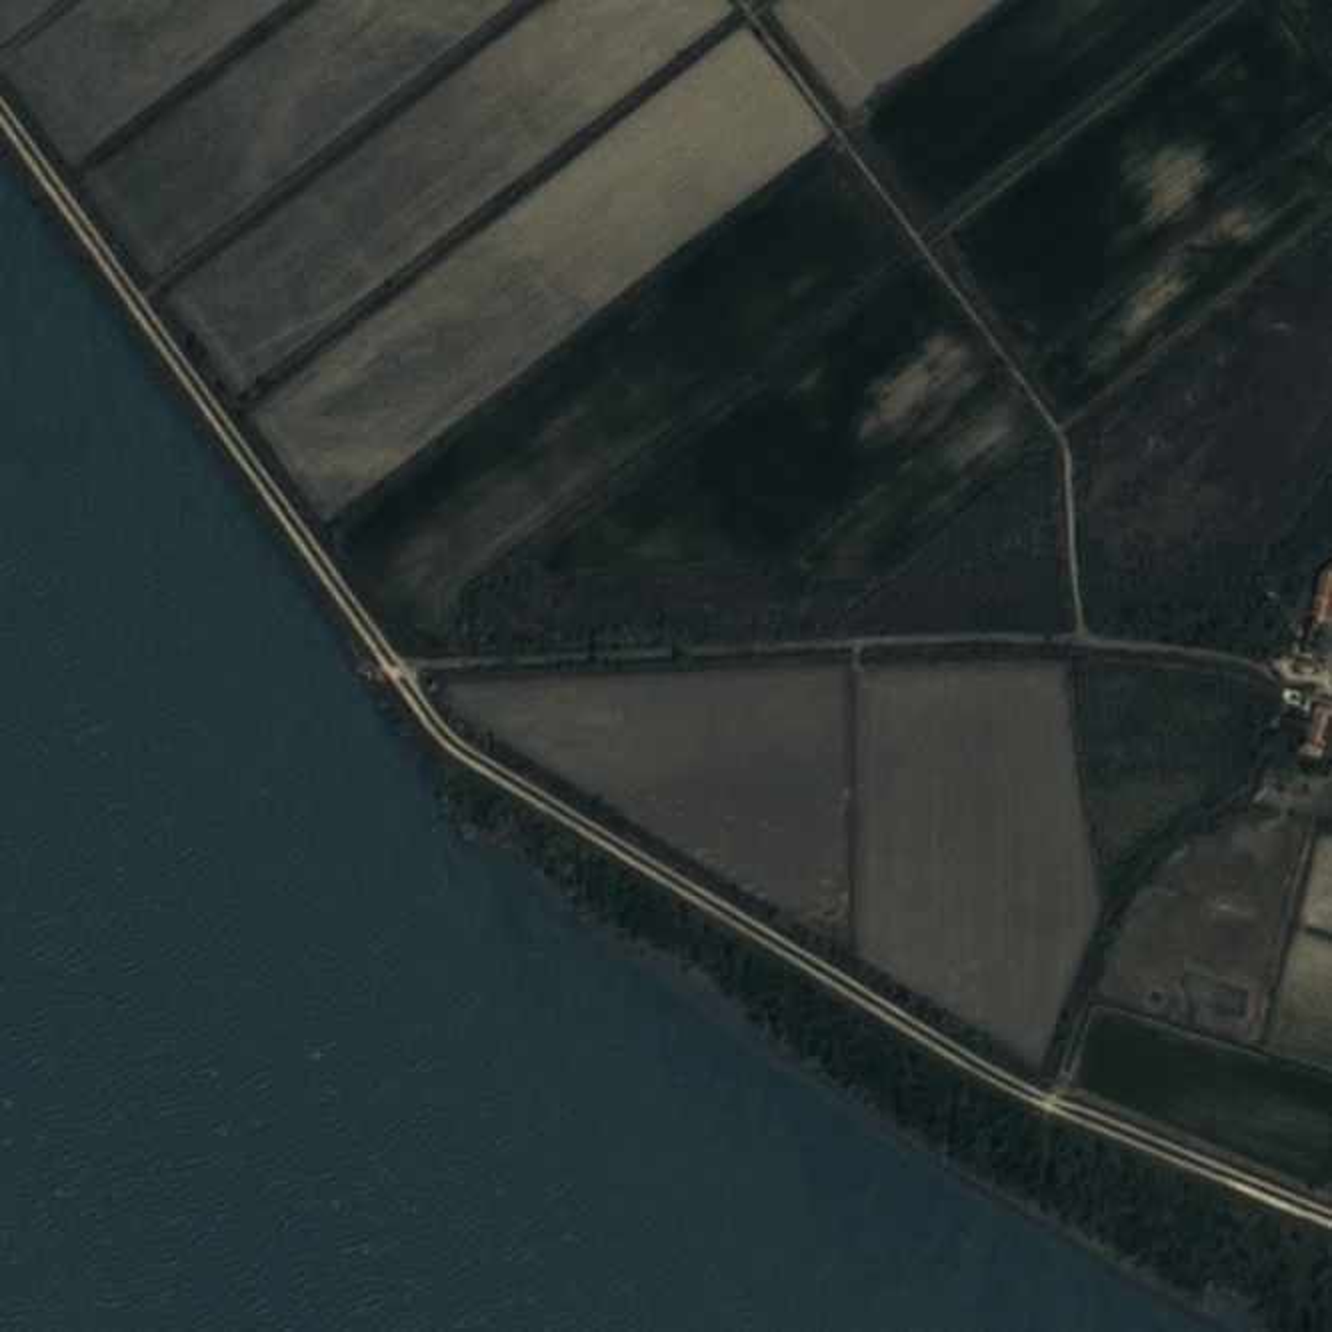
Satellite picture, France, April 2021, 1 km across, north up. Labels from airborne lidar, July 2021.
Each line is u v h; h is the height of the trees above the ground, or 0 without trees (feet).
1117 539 0
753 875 0
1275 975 0
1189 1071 0
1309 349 0
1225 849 0
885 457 0
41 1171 0
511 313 0
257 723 0
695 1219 0
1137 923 0
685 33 0
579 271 0
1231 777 21
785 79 0
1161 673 22
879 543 0
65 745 0
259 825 0
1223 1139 0
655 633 24
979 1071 0
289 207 0
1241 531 0
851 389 0
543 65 0
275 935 0
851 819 0
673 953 36
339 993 0
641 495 0
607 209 0
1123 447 0
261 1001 0
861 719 0
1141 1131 0
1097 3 0
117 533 0
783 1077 0
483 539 0
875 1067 36
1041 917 0
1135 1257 28
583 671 25
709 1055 0
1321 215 0
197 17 0
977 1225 0
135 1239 0
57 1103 0
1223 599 29
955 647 20
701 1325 0
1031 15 0
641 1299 0
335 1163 0
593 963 0
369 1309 0
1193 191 0
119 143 0
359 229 0
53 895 0
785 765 0
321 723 0
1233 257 0
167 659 0
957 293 0
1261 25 0
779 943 0
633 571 0
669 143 0
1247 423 0
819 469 0
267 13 0
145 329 0
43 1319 0
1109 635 22
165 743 0
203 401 0
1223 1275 32
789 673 0
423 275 0
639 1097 0
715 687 0
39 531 0
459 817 25
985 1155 53
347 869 0
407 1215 0
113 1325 0
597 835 0
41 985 0
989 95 0
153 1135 0
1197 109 0
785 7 0
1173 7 0
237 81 0
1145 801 0
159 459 0
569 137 0
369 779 0
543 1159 0
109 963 0
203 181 0
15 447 0
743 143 0
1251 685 18
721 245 0
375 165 0
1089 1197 31
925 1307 0
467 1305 0
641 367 0
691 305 0
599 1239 0
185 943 0
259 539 0
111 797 0
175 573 0
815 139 0
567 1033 0
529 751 0
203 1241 0
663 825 0
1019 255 0
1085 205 0
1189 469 0
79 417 0
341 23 0
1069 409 30
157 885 0
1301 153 0
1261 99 0
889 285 0
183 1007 0
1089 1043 0
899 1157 0
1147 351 0
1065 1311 0
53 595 0
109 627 0
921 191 0
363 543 0
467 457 0
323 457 0
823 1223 0
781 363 0
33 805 0
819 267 0
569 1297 0
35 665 0
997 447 0
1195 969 0
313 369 0
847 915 0
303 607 0
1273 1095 0
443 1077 0
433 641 0
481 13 0
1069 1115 0
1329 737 34
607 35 0
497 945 0
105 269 0
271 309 0
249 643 0
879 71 0
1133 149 0
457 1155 0
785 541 0
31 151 0
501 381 0
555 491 0
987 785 0
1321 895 0
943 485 0
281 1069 0
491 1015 0
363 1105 0
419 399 0
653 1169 0
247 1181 0
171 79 0
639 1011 0
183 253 0
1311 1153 0
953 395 0
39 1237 0
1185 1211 30
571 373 0
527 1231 0
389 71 0
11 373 0
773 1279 0
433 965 0
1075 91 0
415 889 0
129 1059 0
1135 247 0
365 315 0
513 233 0
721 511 0
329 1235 0
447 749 0
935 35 0
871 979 25
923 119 0
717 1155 0
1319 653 54
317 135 0
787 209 0
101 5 0
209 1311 0
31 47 0
